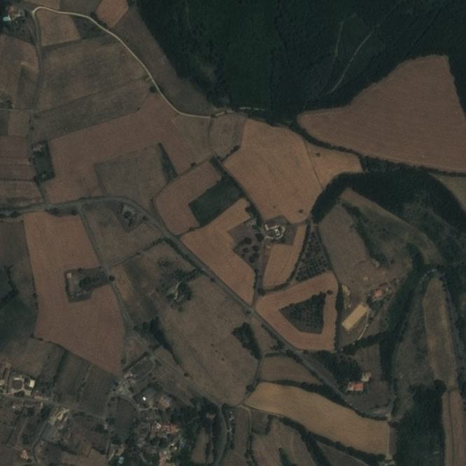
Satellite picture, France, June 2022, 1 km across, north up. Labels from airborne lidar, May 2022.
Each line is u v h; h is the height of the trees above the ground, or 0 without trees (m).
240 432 0
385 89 0
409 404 0
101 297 0
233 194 0
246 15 8
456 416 0
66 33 0
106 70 0
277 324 0
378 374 0
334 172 0
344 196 0
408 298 9
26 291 0
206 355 0
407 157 0
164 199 0
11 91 0
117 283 0
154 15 9
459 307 10
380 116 0
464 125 0
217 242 0
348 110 0
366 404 0
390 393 7
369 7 15
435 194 9
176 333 0
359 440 0
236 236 0
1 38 0
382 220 0
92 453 0
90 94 0
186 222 0
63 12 0
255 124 0
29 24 0
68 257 0
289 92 17
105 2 0
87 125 0
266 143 0
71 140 0
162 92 10
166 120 0
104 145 0
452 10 12
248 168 0
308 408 0
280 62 20
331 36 12
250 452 10
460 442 0
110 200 0
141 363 0
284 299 0
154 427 0
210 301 0
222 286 0
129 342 0
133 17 0
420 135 0
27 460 6
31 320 0
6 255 0
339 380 10
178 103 0
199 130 0
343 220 0
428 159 0
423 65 0
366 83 12
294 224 0
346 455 0
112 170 0
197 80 13
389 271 0
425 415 5
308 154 0
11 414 0
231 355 0
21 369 0
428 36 9
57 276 0
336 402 10
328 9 13
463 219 13
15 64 0
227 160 0
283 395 0
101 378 0
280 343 11
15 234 0
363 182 14
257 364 0
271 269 0
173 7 12
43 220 0
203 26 17
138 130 0
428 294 0
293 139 0
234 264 0
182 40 14
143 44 0
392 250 0
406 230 0
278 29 20
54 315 0
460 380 6
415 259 12
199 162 0
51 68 0
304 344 0
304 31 12
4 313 0
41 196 0
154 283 0
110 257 0
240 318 0
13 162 0
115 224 0
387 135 0
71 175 0
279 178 0
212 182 0
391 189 9
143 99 0
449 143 0
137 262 0
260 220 8
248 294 0
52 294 0
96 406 0
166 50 10
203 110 0
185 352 0
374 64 12
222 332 0
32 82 0
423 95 0
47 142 6
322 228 0
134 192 0
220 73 22
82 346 0
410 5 12
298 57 9
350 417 0
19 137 0
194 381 0
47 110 0
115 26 0
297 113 11
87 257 0
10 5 10
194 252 0
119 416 0
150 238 0
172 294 12
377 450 0
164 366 0
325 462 12
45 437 0
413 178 9
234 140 0
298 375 0
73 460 0
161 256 0
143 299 0
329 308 0
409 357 0
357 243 0
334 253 0
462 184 0
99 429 9
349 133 0
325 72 24
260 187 0
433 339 0
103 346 0
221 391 0
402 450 11
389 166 7
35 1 0
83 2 0
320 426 0
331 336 0
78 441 0
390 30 12
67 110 0
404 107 0
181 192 0
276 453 0
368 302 6
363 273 0
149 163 0
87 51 0
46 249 0
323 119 0
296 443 0
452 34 7
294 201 0
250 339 9
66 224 0
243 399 0
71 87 0
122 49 0
